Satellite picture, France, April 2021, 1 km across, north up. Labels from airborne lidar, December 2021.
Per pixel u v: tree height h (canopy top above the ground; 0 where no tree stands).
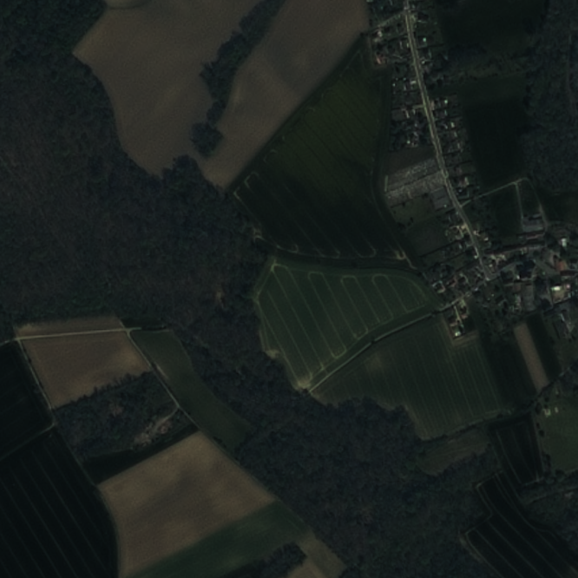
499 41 0
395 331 0
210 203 14
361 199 0
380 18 14
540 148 23
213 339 27
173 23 0
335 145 0
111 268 22
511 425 0
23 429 0
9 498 0
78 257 19
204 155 20
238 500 0
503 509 0
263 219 0
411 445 28
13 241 20
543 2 0
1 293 21
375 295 0
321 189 0
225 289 24
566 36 19
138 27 0
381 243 0
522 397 0
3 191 22
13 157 19
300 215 0
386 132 0
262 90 0
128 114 0
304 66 0
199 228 27
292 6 0
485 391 0
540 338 0
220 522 0
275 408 26
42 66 29
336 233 0
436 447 9
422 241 0
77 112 22
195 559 0
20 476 0
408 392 0
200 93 0
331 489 15
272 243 0
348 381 0
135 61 0
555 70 27
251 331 24
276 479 23
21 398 0
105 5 18
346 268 0
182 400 0
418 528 16
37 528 0
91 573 0
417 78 0
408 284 0
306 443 25
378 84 0
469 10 0
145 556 0
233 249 23
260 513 0
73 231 18
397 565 13
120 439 13
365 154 0
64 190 18
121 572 0
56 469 0
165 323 11
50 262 19
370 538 25
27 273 21
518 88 0
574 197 0
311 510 23
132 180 21
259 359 24
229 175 0
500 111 0
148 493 0
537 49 20
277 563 17
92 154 14
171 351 0
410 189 0
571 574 0
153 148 0
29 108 21
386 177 0
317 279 0
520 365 0
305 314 0
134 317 14
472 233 0
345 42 0
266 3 15
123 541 0
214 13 0
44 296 20
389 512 21
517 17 0
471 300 0
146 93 0
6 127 19
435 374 0
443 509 15
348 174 0
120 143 9
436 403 0
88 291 21
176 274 12
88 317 14
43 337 0
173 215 20
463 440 0
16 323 15
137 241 24
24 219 20
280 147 0
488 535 0
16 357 0
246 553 0
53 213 19
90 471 0
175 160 0
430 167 0
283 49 0
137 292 18
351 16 0
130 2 0
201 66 0
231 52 18
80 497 0
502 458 0
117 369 0
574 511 10
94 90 14
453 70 14
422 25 0
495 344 0
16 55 16
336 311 0
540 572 0
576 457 0
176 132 0
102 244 19
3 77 21
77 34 18
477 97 0
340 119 0
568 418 0
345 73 0
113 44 0
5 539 0
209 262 18
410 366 0
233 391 25
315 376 0
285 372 15
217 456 0
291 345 0
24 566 0
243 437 0
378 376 0
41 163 23
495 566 0
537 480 0
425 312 0
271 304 0
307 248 0
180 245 20
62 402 0
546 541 0
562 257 10
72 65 18
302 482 24
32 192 23
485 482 0
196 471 0
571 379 19
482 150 0
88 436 6
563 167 21
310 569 0
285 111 0
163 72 0
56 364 0
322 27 0
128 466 0
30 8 30
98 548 0
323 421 29
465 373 0
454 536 16
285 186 0
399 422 24
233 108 0
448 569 25
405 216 0
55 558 0
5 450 0
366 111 0
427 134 14
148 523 0
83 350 0
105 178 20
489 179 0
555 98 26
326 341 0
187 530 0
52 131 20
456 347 0
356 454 32
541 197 0
